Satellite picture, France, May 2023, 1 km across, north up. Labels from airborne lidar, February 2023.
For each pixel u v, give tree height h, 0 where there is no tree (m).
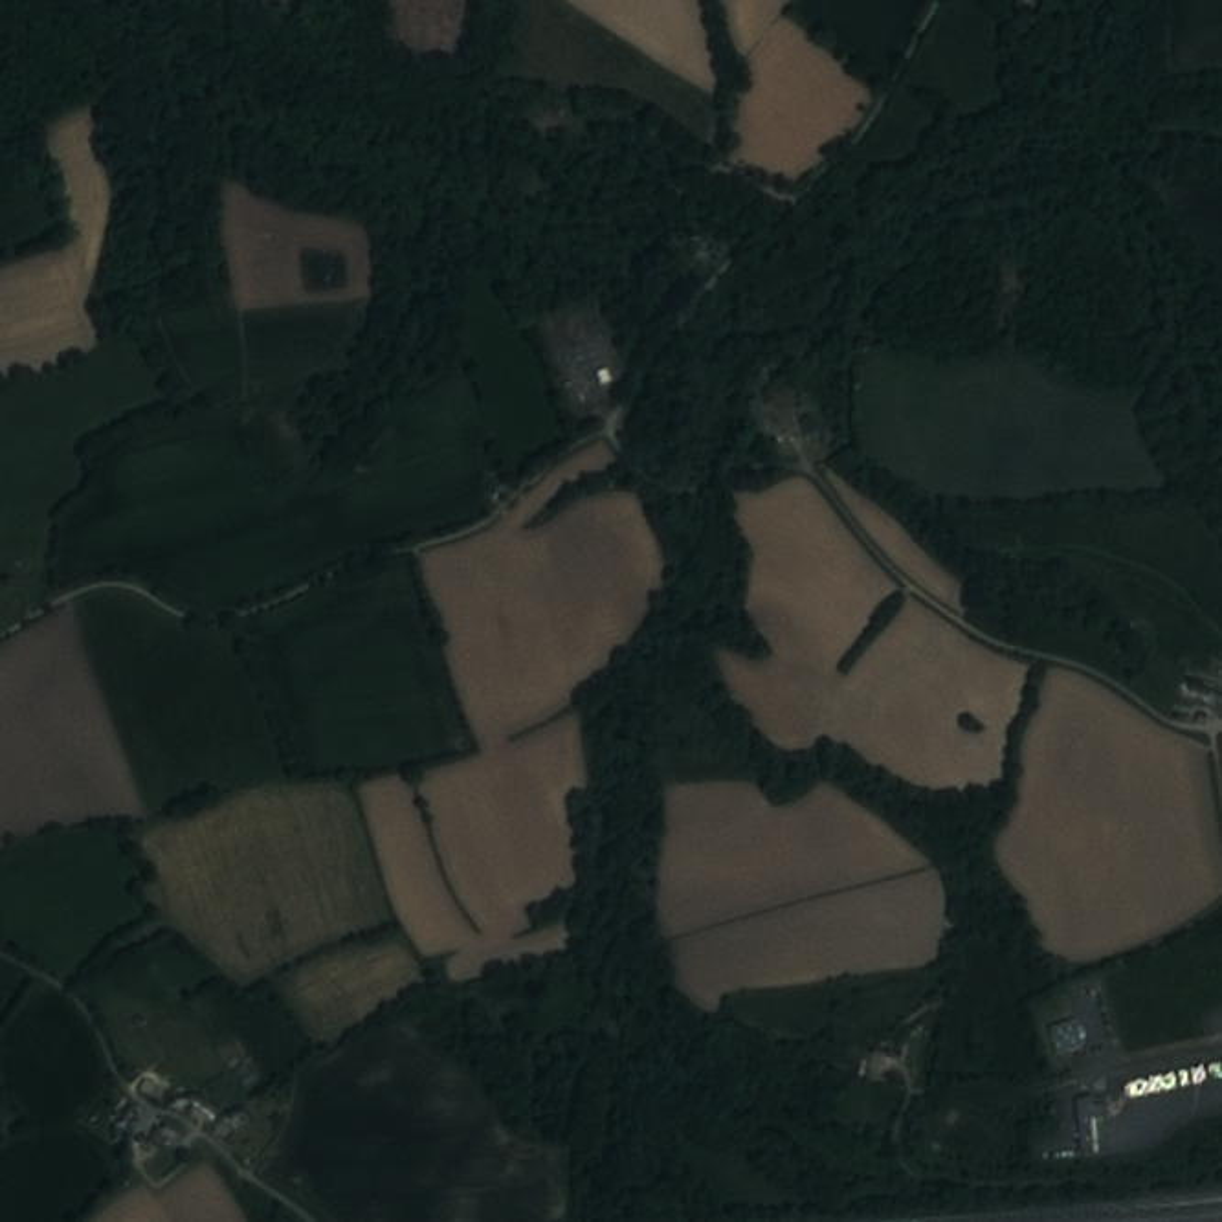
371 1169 0
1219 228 0
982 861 11
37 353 0
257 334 0
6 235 0
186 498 0
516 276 6
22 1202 0
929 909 0
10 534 0
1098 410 0
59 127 0
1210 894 0
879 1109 0
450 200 10
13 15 15
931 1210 9
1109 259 7
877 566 0
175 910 0
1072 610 11
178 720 0
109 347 0
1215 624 0
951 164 12
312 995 0
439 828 0
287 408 0
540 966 14
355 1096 0
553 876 0
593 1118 6
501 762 0
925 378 0
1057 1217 0
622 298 16
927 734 0
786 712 0
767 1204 0
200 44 20
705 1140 17
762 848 0
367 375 14
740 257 16
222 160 7
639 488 16
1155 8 14
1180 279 9
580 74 0
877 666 0
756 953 0
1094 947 0
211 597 0
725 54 16
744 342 21
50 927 0
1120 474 0
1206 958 0
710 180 11
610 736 9
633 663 22
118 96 23
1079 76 17
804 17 0
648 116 18
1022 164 18
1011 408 0
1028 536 0
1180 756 0
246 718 0
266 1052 0
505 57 10
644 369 14
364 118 13
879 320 14
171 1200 0
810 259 0
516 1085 16
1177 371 21
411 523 0
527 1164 0
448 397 0
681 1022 15
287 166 21
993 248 13
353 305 0
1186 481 17
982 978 0
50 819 0
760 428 0
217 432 0
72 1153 0
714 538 11
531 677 0
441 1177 0
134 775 0
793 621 0
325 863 0
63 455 0
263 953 0
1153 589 0
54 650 0
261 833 0
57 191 19
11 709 0
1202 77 11
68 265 0
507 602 0
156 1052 0
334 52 19
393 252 18
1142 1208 0
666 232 17
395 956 0
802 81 0
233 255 0
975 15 0
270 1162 0
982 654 0
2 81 14
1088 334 5
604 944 13
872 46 0
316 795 0
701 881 0
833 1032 6
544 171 14
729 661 0
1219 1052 0
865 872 0
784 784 9
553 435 0
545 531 0
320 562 0
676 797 0
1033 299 6
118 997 0
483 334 0
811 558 0
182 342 0
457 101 18
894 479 9
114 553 0
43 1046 0
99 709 0
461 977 0
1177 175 17
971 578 17
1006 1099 0
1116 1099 0
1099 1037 0
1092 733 0
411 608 0
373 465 0
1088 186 13
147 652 0
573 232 7
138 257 19
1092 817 0
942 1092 0
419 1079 0
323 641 0
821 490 0
